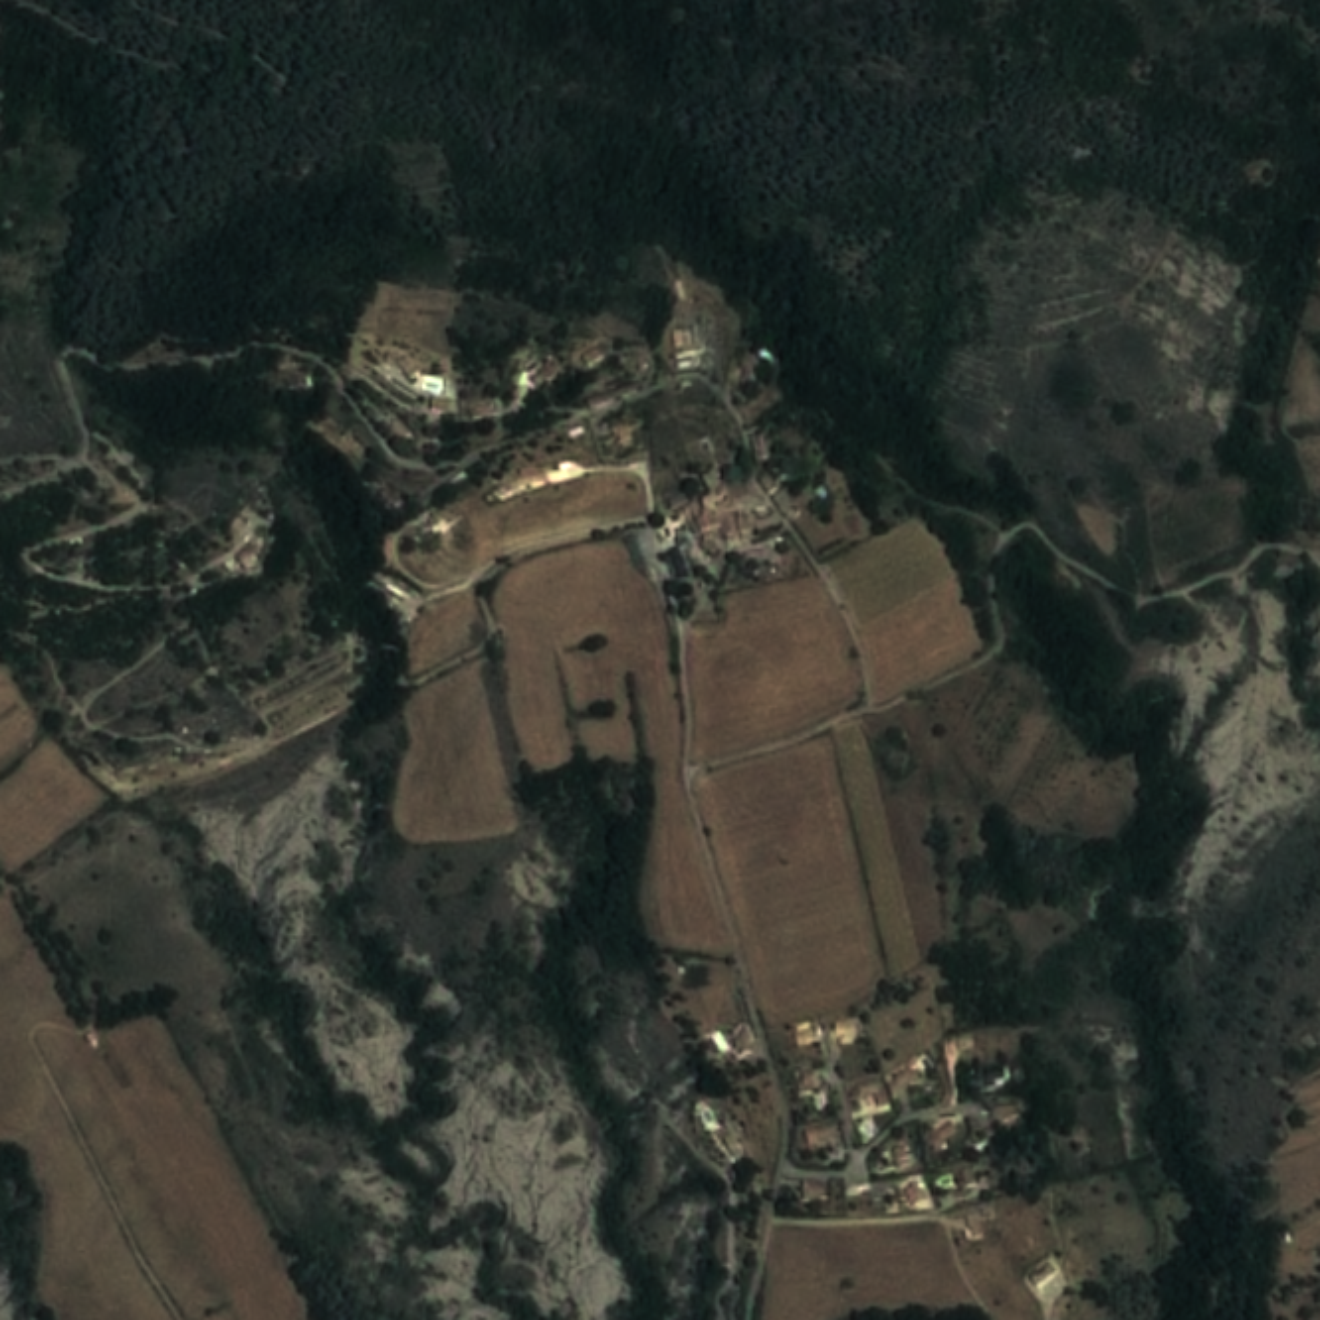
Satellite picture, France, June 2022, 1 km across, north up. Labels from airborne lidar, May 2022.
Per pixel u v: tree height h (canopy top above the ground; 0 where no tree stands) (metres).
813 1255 0
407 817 0
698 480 13
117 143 13
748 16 12
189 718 0
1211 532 0
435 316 0
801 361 21
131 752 8
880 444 11
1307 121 18
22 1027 0
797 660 0
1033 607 14
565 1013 14
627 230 13
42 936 8
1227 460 12
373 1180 0
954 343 9
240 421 14
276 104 22
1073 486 10
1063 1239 0
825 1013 0
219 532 7
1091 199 6
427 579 0
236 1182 0
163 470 7
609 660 0
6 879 7
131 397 12
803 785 0
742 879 0
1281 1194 0
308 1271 18
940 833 10
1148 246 0
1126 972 17
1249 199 13
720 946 0
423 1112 7
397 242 10
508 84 10
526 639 0
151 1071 0
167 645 6
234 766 0
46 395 6
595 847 12
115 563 10
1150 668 0
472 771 0
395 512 9
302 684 0
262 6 19
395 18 10
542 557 0
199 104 11
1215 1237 21
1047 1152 8
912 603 0
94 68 14
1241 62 6
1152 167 18
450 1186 0
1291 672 6
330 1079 6
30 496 12
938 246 10
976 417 0
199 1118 0
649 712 0
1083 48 11
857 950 0
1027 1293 0
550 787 8
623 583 0
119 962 0
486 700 0
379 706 20
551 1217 0
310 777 0
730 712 0
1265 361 12
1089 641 9
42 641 8
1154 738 11
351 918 10
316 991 0
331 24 18
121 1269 0
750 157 19
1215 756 0
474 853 0
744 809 0
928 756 0
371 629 13
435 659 0
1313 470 0
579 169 13
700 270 7
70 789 0
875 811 0
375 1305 6
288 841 0
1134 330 0
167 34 23
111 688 0
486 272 8
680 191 25
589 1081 10
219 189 21
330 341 9
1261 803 0
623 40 15
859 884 0
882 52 12
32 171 7
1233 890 0
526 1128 0
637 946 10
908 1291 0
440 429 9
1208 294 0
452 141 9
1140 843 11
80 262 12
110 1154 0
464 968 8
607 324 0
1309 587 14
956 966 10
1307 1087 0
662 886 0
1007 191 9
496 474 9
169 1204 0
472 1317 0
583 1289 0
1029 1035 9
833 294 13
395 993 6
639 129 18
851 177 12
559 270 13
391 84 23
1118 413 9
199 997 0
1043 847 14
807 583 0
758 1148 0
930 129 20
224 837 0
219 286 19
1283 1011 0
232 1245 0
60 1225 0
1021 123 14
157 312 14
